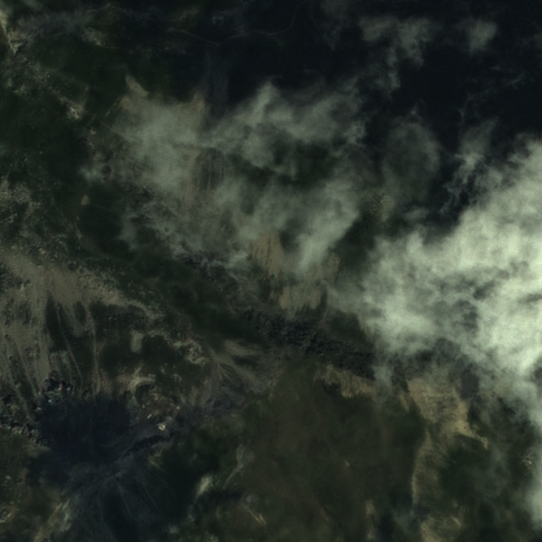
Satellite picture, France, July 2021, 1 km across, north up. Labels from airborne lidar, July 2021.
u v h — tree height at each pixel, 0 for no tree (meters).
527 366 0
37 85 0
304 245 0
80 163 0
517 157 0
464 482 0
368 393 0
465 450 0
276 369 0
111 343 0
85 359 0
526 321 0
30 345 0
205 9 0
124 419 0
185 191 0
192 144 0
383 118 0
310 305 0
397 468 0
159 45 0
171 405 0
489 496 0
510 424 0
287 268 0
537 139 0
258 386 0
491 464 0
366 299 0
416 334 0
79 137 0
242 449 0
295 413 0
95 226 0
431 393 0
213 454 0
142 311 0
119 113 0
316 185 0
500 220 0
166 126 0
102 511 0
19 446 0
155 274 0
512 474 0
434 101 0
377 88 11
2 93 0
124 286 0
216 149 0
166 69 0
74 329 0
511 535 0
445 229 0
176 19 0
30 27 0
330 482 0
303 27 0
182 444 0
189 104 0
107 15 0
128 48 0
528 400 0
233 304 0
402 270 0
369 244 0
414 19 14
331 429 0
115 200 0
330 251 0
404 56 0
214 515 0
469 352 0
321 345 10
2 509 0
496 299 0
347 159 0
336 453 0
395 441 0
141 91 0
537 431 0
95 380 0
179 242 0
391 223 0
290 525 0
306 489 0
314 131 0
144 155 0
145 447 0
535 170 0
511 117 7
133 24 0
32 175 0
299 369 0
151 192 0
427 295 0
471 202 0
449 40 7
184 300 0
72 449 0
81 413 0
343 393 0
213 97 0
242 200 0
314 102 0
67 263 0
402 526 0
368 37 0
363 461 0
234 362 0
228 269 0
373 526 0
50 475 0
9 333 0
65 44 0
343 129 0
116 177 0
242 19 0
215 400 0
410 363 0
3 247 0
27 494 0
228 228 0
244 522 0
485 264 0
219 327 0
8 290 0
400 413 0
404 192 0
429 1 0
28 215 0
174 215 0
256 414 0
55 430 0
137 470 0
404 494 0
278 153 0
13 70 0
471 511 0
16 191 0
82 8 0
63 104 0
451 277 0
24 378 0
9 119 0
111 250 0
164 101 0
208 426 0
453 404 0
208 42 0
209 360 0
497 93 9
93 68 0
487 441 0
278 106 0
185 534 0
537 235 0
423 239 0
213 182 0
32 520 0
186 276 0
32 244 0
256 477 0
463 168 0
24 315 0
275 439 0
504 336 0
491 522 0
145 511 0
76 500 0
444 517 0
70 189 0
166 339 0
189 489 0
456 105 0
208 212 0
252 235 0
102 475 0
